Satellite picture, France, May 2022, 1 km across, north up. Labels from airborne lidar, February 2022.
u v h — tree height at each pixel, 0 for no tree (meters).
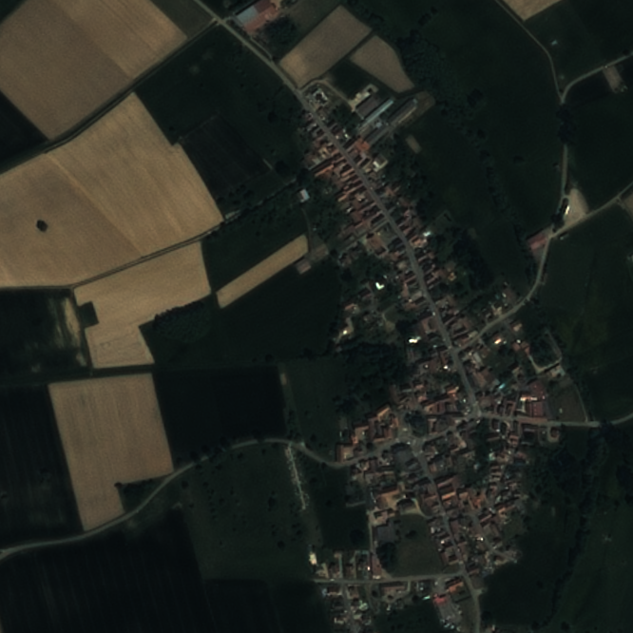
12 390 0
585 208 0
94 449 0
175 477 0
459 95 20
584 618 0
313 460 0
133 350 0
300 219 0
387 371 9
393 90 0
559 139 0
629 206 0
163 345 0
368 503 0
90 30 0
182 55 0
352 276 23
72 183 0
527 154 0
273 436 0
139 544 0
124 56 0
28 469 0
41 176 0
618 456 0
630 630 0
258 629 0
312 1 0
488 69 0
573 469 30
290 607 0
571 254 0
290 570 0
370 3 0
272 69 0
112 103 0
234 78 0
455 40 0
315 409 0
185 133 0
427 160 0
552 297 0
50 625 0
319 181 9
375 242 0
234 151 0
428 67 25
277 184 0
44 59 0
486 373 0
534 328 0
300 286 0
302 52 0
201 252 0
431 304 0
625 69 0
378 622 0
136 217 0
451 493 0
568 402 0
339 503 0
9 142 0
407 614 0
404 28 0
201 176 0
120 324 0
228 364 0
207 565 0
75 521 0
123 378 0
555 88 0
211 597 0
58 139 0
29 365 0
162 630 0
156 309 0
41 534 0
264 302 0
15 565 0
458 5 0
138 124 0
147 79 0
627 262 0
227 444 18
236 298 0
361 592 0
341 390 0
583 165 0
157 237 0
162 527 0
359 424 0
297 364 0
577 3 0
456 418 0
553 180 0
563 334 0
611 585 0
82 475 0
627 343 0
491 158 17
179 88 0
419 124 0
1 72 0
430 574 0
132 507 0
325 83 0
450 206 0
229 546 0
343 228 0
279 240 0
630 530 0
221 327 0
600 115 0
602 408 0
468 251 17
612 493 0
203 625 0
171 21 0
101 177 0
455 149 0
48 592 0
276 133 0
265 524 0
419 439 0
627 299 0
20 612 0
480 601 0
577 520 0
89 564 0
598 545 0
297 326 0
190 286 0
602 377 0
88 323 0
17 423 0
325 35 0
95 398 0
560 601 14
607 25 0
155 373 0
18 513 0
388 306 0
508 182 0
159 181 0
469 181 0
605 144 0
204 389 0
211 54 0
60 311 0
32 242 0
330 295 0
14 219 0
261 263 0
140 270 0
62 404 0
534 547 0
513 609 0
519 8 0
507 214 18
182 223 0
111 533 0
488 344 7
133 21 0
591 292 0
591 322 0
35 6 0
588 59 0
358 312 0
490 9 0
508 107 0
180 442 0
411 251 0
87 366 0
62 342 0
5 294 0
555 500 0
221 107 0
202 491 0
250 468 0
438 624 0
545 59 0
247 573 0
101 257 0
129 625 0
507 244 0
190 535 0
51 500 0
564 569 0
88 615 0
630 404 0
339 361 0
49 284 0
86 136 0
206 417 0
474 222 0
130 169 0
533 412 0
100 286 0
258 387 0
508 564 0
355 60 0
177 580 0
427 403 0
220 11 0
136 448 0
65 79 0
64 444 0
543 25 0
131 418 0
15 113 0
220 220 0
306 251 0
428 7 0
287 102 0
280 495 0
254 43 0
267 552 0
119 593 0
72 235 0
